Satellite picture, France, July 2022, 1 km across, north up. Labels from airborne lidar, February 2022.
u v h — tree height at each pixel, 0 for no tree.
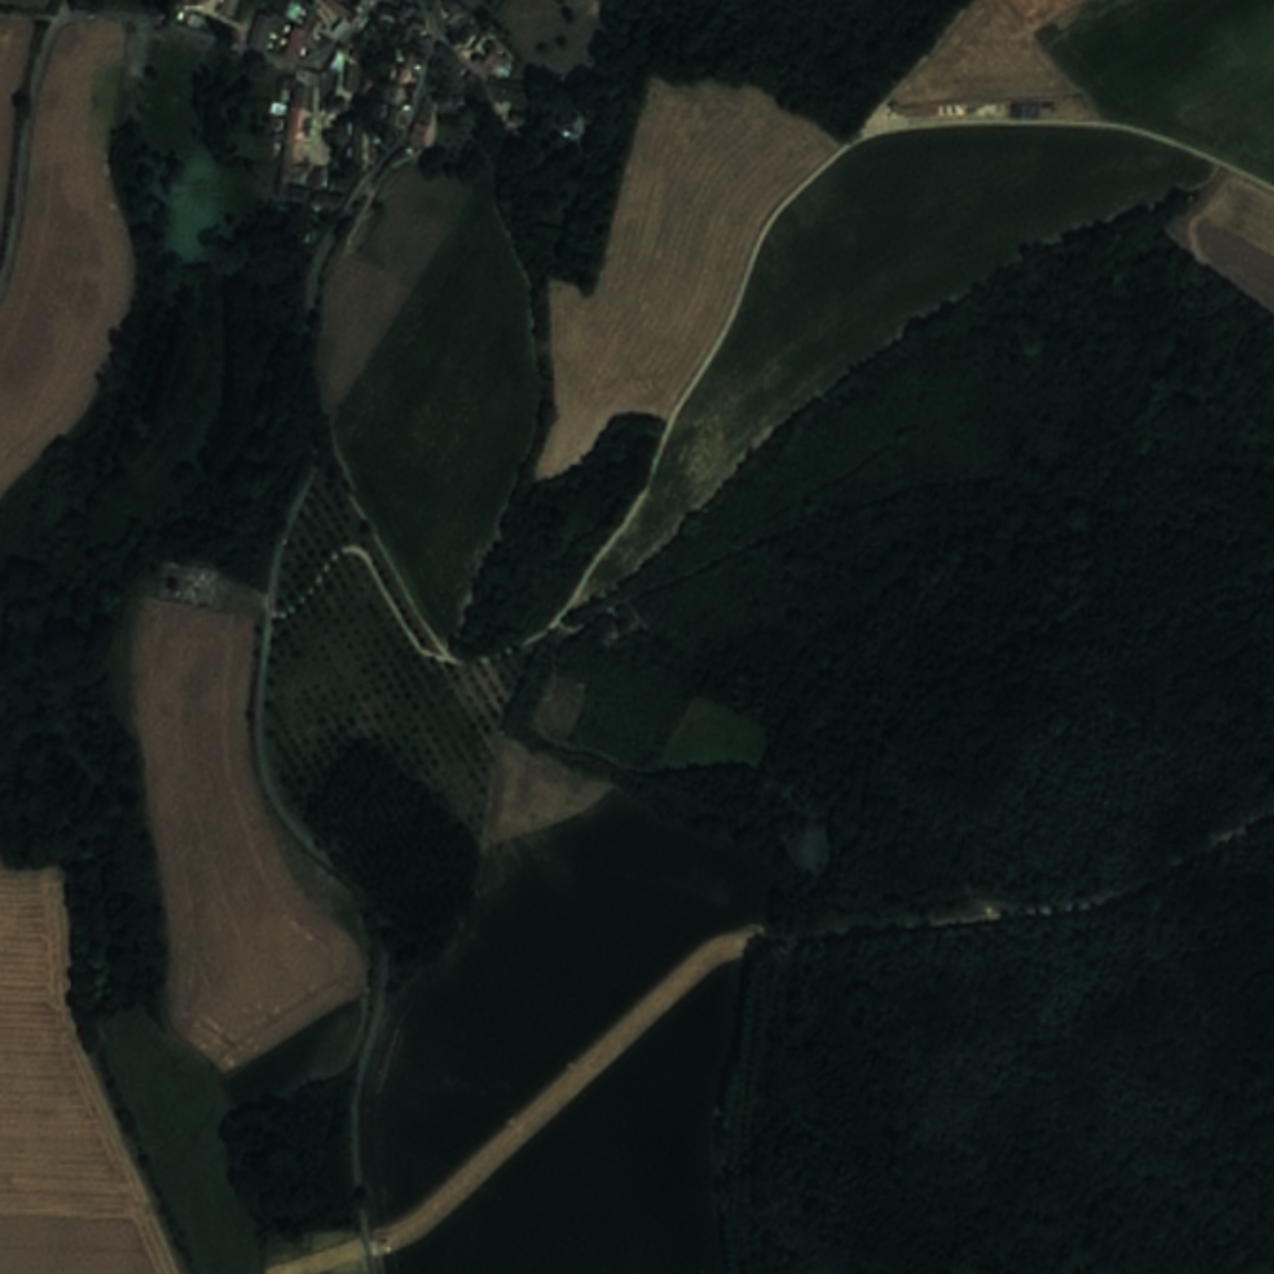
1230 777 17
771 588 8
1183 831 17
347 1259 0
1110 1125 15
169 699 0
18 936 0
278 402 23
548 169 10
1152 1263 18
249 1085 0
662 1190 0
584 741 5
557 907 0
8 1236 0
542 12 0
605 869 0
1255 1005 19
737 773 15
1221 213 0
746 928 0
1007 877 19
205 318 11
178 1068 0
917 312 0
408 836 12
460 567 0
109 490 10
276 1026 0
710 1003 0
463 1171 0
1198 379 26
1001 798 20
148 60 0
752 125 0
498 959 0
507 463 0
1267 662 23
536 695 7
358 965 0
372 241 0
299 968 0
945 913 9
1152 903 17
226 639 0
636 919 0
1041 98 0
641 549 0
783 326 0
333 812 11
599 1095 0
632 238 0
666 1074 0
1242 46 0
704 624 9
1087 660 21
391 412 0
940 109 0
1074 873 17
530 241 12
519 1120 0
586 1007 0
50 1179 0
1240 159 0
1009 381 6
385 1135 0
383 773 13
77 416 0
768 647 12
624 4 22
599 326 0
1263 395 15
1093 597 11
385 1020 0
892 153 0
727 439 0
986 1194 17
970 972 17
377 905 18
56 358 0
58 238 0
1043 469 22
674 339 0
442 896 13
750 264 0
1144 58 0
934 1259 12
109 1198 0
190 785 0
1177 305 20
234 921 0
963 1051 15
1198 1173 15
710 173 0
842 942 16
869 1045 13
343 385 0
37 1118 0
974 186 0
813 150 0
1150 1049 20
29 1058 0
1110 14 0
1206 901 19
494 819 0
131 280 0
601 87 19
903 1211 9
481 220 0
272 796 0
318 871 0
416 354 0
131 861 8
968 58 0
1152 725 18
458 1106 0
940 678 10
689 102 0
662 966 0
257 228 10
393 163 0
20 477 0
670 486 0
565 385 0
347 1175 10
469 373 0
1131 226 15
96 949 17
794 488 7
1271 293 0
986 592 22
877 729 10
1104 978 17
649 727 5
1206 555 16
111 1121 0
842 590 17
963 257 0
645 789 12
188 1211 0
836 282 0
